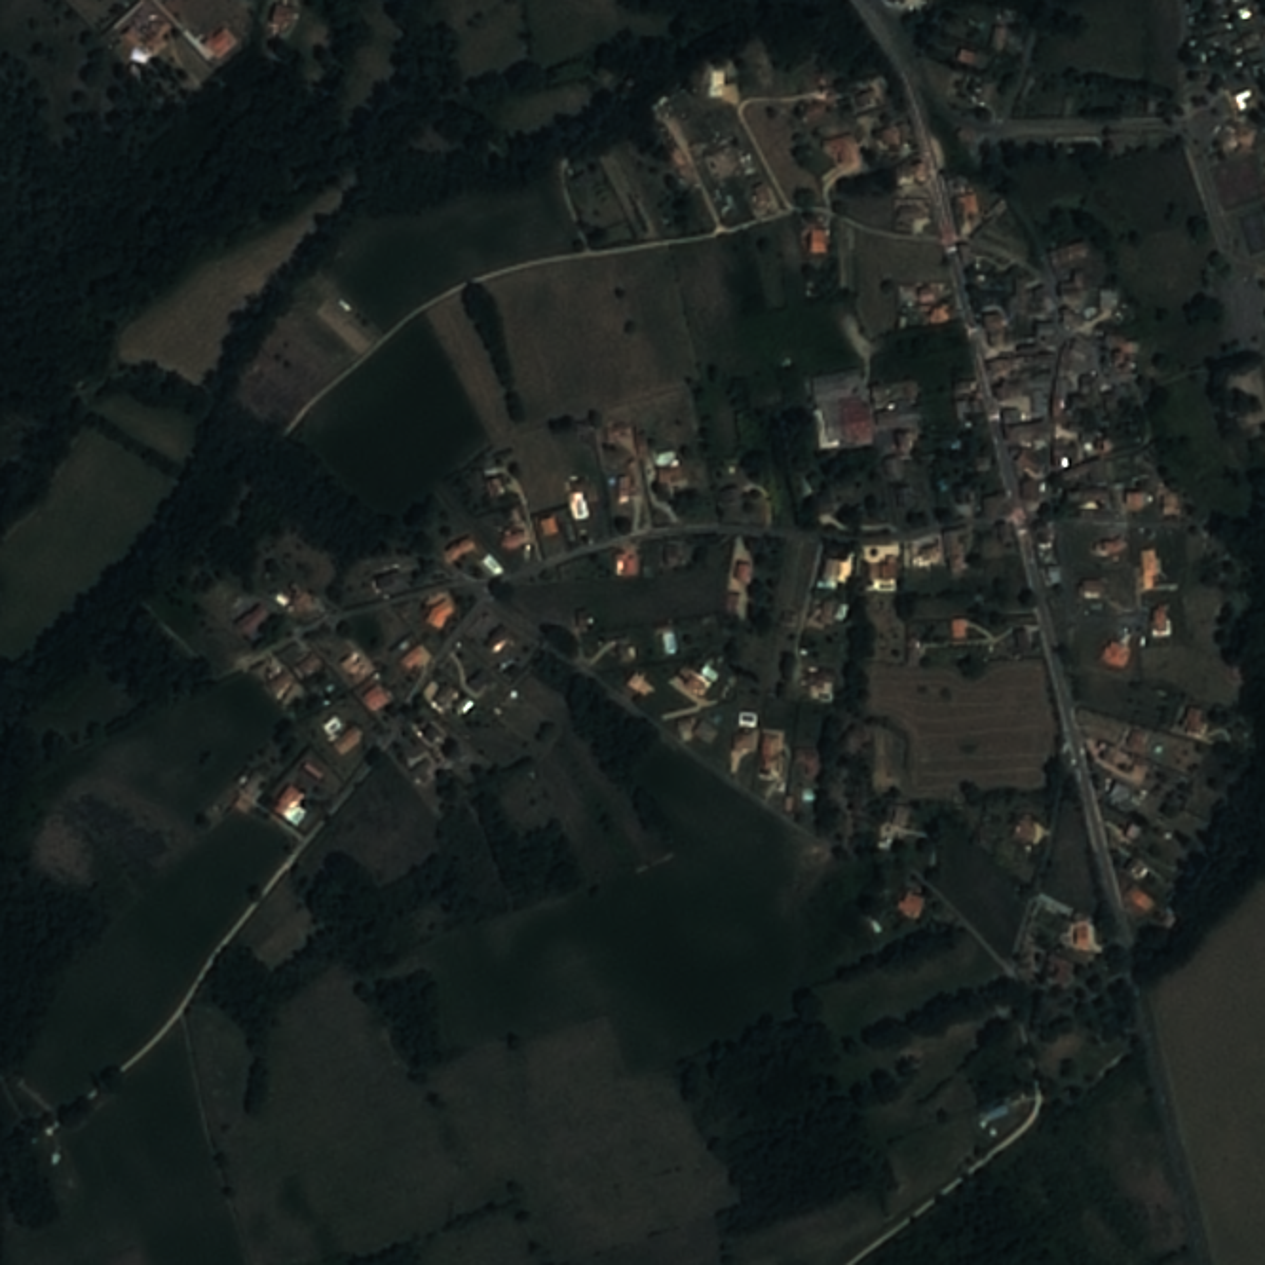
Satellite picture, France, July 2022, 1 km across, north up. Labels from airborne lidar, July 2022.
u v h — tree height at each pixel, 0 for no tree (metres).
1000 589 8
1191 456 0
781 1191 15
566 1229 0
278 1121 0
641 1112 0
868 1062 0
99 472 0
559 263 0
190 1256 0
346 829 0
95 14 0
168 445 0
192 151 7
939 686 0
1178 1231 0
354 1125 0
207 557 7
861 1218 0
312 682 7
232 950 10
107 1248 0
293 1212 0
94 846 0
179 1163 0
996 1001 17
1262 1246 0
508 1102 0
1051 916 0
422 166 11
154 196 17
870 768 9
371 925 16
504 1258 0
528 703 0
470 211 0
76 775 0
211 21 0
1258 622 21
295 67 19
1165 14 0
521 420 10
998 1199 10
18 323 24
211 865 0
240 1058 0
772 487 7
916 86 0
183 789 0
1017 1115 0
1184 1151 0
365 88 0
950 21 16
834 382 0
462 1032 0
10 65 13
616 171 0
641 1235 0
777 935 0
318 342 0
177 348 0
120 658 24
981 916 0
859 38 11
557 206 0
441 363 0
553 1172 0
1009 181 21
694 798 0
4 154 10
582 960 0
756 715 0
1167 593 0
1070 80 11
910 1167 0
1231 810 16
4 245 20
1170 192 0
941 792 0
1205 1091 0
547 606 0
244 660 0
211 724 0
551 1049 0
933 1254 8
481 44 0
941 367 0
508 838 10
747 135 0
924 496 0
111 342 11
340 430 0
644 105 16
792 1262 0
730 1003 0
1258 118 18
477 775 12
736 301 0
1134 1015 12
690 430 0
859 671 11
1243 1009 0
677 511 14
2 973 13
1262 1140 0
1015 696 0
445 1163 0
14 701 23
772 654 0
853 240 0
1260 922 0
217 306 0
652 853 0
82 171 20
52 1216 20
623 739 15
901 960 22
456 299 0
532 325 0
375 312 0
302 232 0
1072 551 0
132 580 17
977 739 0
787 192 0
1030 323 0
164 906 0
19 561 0
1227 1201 0
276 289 18
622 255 0
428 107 21
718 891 0
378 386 0
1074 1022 9
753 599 9
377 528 13
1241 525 14
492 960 0
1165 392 8
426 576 9
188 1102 0
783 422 15
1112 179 0
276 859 0
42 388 23
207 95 13
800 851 0
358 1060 0
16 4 0
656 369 0
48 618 0
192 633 0
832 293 6
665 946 0
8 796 17
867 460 11
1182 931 20
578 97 0
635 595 0
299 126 17
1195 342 0
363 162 14
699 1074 13
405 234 0
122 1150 0
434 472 0
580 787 0
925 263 0
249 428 16
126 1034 0
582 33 0
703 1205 0
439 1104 17
